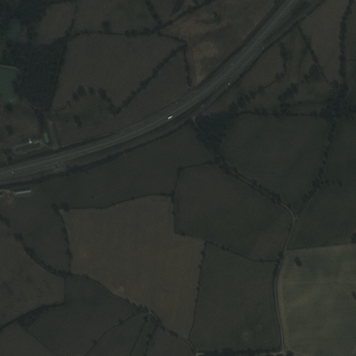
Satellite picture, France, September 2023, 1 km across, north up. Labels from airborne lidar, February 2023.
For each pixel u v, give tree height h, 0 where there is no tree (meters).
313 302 0
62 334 0
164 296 0
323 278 0
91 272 0
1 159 0
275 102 0
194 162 0
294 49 0
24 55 24
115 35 0
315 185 16
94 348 0
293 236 0
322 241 0
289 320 0
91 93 12
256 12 0
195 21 0
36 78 20
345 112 16
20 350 0
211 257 0
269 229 0
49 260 0
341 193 0
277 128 0
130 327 0
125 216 0
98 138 0
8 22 14
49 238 0
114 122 0
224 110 0
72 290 0
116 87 0
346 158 0
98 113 0
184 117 0
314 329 0
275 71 0
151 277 0
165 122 0
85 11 0
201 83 0
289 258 0
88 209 0
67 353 0
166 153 0
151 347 0
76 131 0
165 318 0
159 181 0
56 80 9
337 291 0
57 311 0
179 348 0
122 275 0
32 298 0
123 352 0
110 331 0
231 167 0
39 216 0
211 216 0
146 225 0
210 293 0
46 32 0
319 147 0
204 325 0
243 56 0
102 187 0
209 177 0
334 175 0
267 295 0
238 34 0
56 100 0
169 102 0
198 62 0
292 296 0
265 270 0
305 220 0
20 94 17
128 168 0
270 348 0
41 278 0
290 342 0
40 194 0
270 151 0
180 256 0
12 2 0
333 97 0
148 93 0
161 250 0
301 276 0
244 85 0
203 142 14
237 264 0
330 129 0
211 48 0
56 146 0
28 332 9
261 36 0
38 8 30
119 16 0
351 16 0
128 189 0
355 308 0
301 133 0
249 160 0
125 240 0
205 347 0
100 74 0
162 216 0
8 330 0
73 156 0
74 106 0
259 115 16
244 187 0
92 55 0
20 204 0
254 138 0
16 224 0
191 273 0
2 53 0
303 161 0
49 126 0
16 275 0
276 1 9
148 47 0
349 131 0
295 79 0
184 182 0
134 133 0
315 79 0
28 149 0
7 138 0
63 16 0
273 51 0
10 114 0
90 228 0
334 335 0
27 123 0
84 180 0
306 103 0
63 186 0
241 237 0
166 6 0
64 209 16
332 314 0
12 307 0
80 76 0
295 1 0
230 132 0
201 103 0
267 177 0
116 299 0
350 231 0
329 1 0
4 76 0
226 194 0
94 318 0
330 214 0
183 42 12
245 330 0
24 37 0
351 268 0
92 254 0
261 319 0
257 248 0
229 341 0
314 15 0
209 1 7
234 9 0
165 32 0
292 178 0
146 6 8
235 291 0
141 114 0
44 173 0
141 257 0
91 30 0
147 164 0
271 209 0
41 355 0
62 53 8
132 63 0
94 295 0
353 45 0
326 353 0
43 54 17
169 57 10
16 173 0
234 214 0
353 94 0
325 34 0
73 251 0
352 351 0
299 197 0
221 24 0
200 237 0
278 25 0
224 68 0
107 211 0
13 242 0
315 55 8
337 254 0
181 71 0
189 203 0
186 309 0
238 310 0
